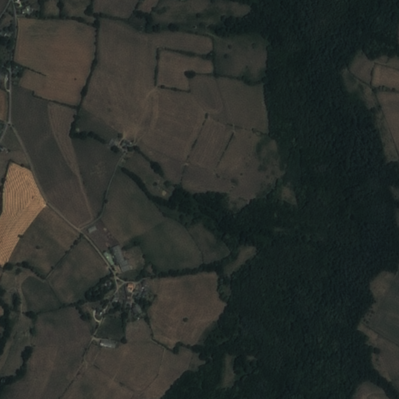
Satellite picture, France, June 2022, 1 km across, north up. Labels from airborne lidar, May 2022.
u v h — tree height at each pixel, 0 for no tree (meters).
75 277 0
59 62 0
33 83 0
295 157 6
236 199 0
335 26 18
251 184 0
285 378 27
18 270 7
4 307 15
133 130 0
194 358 0
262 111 0
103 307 9
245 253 0
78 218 0
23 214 0
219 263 12
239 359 18
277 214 18
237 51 0
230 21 18
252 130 8
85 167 0
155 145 0
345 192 29
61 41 0
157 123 0
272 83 21
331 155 7
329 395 15
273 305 21
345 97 13
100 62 0
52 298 0
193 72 7
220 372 16
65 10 0
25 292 0
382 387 19
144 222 0
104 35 0
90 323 0
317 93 17
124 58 0
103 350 0
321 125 20
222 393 18
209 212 9
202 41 0
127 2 0
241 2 9
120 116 0
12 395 0
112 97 0
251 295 14
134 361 0
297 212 14
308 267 15
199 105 0
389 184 20
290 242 21
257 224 16
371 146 16
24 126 0
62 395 0
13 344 0
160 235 0
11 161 6
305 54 14
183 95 0
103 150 0
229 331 19
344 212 29
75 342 0
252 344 14
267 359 14
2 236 0
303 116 17
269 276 16
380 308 0
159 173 14
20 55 0
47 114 0
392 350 0
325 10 11
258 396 18
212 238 0
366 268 14
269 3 22
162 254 0
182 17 0
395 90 9
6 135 0
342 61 12
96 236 0
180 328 0
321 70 17
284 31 13
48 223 0
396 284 0
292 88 14
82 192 0
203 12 0
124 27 0
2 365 0
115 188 0
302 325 20
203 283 0
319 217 9
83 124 0
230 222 18
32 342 0
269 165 0
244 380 20
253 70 0
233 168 0
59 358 0
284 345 13
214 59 6
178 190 17
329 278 11
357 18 7
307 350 20
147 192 11
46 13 0
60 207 0
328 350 18
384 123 0
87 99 0
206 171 0
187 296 0
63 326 0
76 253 0
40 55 0
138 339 0
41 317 0
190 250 0
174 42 0
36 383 0
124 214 0
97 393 0
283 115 17
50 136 0
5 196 0
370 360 10
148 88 0
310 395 14
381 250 14
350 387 13
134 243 9
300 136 17
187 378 15
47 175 0
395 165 12
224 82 0
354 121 20
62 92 0
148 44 0
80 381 0
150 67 0
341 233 15
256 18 19
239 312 19
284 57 14
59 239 0
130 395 0
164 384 0
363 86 0
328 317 13
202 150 0
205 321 0
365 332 0
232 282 17
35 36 0
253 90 0
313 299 17
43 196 0
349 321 17
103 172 0
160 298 0
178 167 0
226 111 0
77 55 0
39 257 0
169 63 0
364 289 7
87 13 13
